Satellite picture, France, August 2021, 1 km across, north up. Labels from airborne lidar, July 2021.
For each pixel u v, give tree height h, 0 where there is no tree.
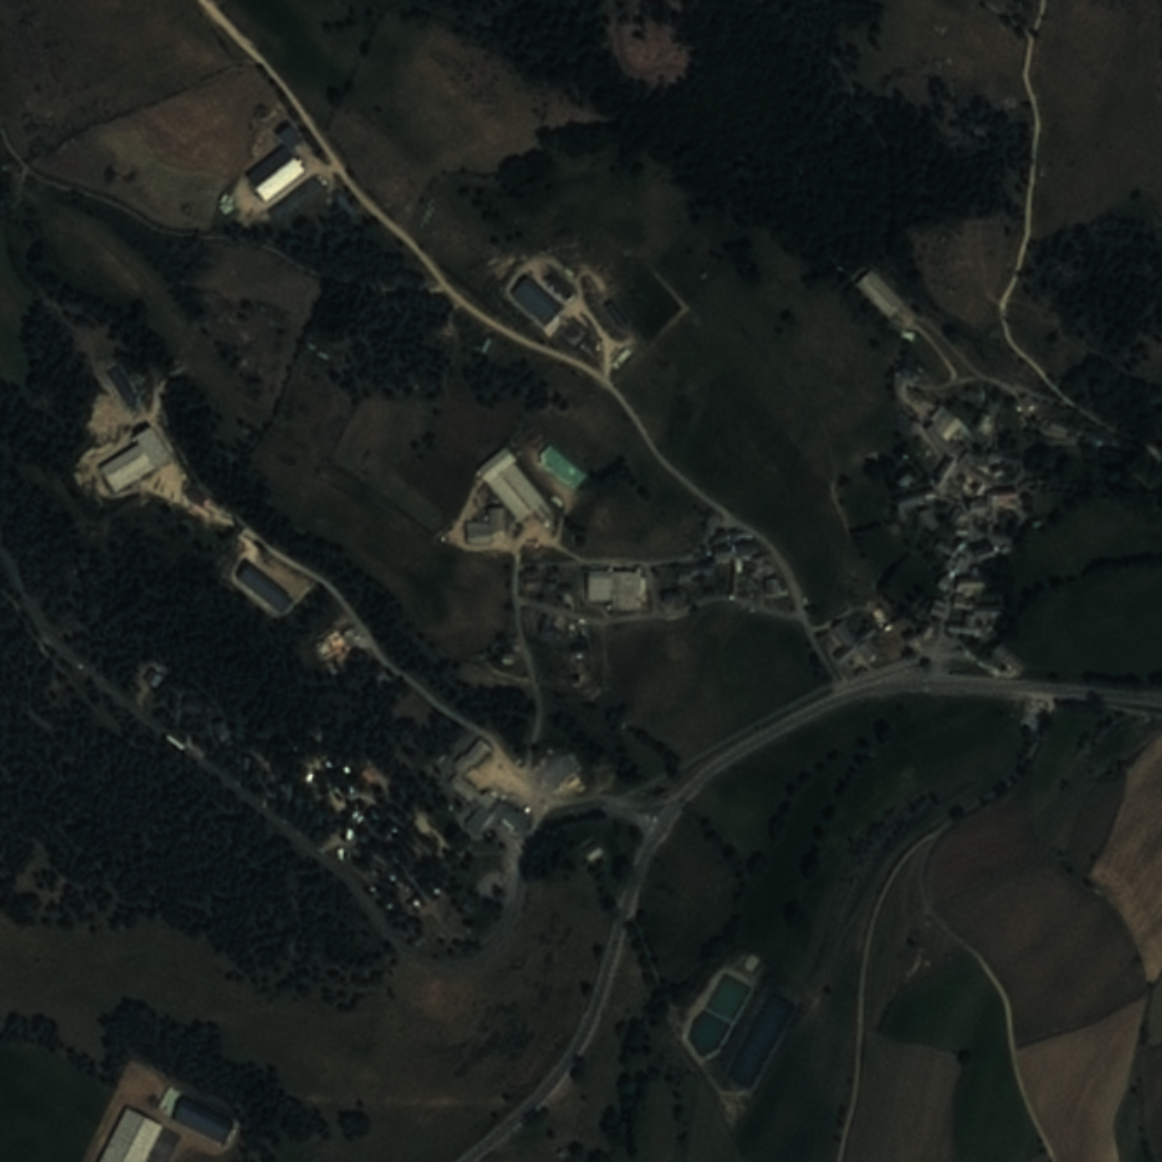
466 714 13
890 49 0
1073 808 0
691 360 0
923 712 0
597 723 0
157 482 0
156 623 9
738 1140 0
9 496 10
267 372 0
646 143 20
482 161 0
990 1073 0
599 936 0
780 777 0
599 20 8
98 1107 0
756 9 10
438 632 0
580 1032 0
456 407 0
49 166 0
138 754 11
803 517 0
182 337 0
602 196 0
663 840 0
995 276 0
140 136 0
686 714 0
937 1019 0
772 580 0
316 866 11
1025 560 0
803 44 9
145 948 0
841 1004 0
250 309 7
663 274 0
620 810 0
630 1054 14
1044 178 0
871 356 0
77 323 9
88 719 10
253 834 11
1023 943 0
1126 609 0
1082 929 0
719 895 0
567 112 0
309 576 0
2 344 0
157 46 0
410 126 0
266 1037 0
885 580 8
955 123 9
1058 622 0
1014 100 0
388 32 0
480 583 0
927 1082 0
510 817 0
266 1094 15
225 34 0
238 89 0
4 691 11
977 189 14
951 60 0
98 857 10
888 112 13
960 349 0
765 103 19
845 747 0
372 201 0
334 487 0
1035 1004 0
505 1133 0
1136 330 12
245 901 13
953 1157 0
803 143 16
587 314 0
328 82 0
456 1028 0
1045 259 8
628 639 0
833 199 19
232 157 0
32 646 8
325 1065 0
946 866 0
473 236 0
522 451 0
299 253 13
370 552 0
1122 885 0
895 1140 0
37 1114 0
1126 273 9
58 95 0
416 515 0
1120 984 0
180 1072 13
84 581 13
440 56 0
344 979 7
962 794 0
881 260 8
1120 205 0
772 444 0
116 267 0
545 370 0
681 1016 0
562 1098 0
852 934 0
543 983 0
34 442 10
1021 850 0
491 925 0
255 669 11
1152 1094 0
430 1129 0
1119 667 0
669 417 0
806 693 0
